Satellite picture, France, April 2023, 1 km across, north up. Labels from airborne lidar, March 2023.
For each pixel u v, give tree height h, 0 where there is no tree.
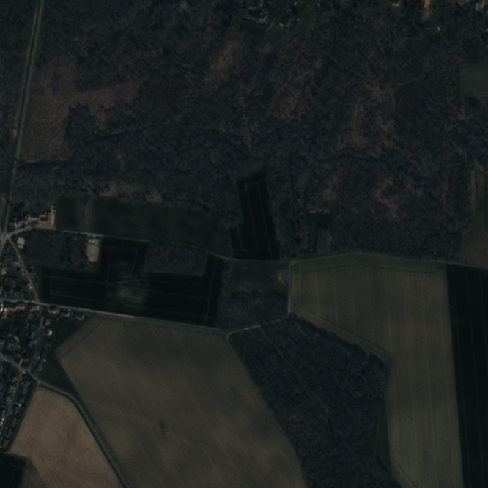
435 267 0
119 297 0
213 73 0
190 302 0
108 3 6
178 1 8
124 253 0
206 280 0
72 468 0
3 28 22
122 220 0
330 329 0
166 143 6
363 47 14
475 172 0
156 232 0
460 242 13
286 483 0
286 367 24
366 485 32
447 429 0
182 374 0
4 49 23
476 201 0
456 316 0
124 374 0
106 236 0
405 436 0
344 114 6
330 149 13
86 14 6
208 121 7
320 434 23
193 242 0
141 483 0
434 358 0
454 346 0
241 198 0
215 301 0
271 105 31
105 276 0
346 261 0
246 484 0
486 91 0
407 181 19
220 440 0
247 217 0
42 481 0
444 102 8
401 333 0
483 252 0
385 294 0
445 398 0
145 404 0
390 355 0
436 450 0
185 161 25
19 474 0
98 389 0
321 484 23
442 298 0
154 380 0
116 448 0
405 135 25
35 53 0
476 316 0
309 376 26
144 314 0
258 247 0
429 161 18
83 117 14
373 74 22
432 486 0
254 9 0
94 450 0
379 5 23
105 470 0
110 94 0
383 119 9
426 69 0
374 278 0
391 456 0
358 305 0
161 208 0
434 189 21
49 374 0
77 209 0
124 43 27
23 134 0
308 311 0
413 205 13
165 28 31
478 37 12
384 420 0
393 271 0
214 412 0
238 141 20
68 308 0
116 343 0
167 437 0
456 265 0
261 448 0
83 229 0
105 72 25
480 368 0
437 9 8
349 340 0
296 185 14
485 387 0
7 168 0
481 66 0
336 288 0
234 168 26
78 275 0
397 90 6
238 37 0
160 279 0
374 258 0
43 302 0
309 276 0
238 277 0
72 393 0
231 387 0
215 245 0
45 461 0
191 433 0
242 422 0
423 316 0
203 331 0
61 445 0
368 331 0
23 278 0
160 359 0
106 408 0
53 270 0
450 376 0
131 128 15
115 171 20
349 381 21
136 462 0
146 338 0
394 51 23
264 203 0
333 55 8
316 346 26
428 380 0
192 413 0
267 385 24
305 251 8
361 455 24
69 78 0
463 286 0
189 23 21
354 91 8
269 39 0
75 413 0
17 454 0
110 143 16
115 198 0
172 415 0
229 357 0
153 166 16
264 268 0
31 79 0
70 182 16
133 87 0
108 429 0
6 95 24
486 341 0
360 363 22
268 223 0
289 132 15
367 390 22
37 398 0
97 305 0
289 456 0
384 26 0
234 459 0
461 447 0
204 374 0
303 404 26
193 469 0
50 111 0
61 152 0
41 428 0
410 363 0
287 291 0
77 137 21
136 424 0
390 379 0
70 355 0
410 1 0
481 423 0
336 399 26
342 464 28
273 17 14
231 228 0
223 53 0
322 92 23
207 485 0
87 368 0
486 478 0
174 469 0
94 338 0
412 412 0
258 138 15
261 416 0
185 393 0
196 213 0
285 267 0
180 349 0
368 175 20
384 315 0
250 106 6
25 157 0
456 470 0
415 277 0
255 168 30
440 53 28
